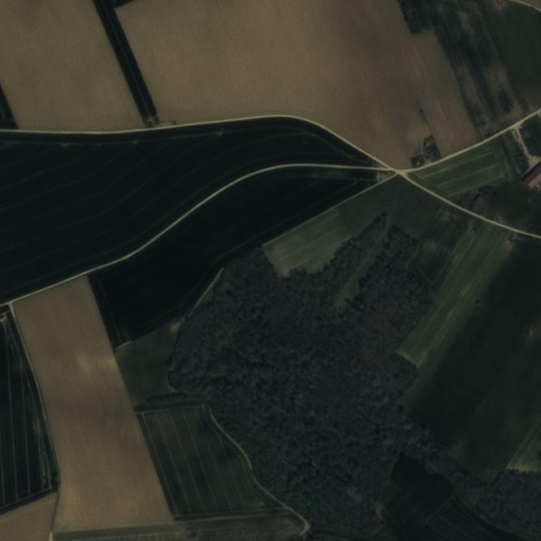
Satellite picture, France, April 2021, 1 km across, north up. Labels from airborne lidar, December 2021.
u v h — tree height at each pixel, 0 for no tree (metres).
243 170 0
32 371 0
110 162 0
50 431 0
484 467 0
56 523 0
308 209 0
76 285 0
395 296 17
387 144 0
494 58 0
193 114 0
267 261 13
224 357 24
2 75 0
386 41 0
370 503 23
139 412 0
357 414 24
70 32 0
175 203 0
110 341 0
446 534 0
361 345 24
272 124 0
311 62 0
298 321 31
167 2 0
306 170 0
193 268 0
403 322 19
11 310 0
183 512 0
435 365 0
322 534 0
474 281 0
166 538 0
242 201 0
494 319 0
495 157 0
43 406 0
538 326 0
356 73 0
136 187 0
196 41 0
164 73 0
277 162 0
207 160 0
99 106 0
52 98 0
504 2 0
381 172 0
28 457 0
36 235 0
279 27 0
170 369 16
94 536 0
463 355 0
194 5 0
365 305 20
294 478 21
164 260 0
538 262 0
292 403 9
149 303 0
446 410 0
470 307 0
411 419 9
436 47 0
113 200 0
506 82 0
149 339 0
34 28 0
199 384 25
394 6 0
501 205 0
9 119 0
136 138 0
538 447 0
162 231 0
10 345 0
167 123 0
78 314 0
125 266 0
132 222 0
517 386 0
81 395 0
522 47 0
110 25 0
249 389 23
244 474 0
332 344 26
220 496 0
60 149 0
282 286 20
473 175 0
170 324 0
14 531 0
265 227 0
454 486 0
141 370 0
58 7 0
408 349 0
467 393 0
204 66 0
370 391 14
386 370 20
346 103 0
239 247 0
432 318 0
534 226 0
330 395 22
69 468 0
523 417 0
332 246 0
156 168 0
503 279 0
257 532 0
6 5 0
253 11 0
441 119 0
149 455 0
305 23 0
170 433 0
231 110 0
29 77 0
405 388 22
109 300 0
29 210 0
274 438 28
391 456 25
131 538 0
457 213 0
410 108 0
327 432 17
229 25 0
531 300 0
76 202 0
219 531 0
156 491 0
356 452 22
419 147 0
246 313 32
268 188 0
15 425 0
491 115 0
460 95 0
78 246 0
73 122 0
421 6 0
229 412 21
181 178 0
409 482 0
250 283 22
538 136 0
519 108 0
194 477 0
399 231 19
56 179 0
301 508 17
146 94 0
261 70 0
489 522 22
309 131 0
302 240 0
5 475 0
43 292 0
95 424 0
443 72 0
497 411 0
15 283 0
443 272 0
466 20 0
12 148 0
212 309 19
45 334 0
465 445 0
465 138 0
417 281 11
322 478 25
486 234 0
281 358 31
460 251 0
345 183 0
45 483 0
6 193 0
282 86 0
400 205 0
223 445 0
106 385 0
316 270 0
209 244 0
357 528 20
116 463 0
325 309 26
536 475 11
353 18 0
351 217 0
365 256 23
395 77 0
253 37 0
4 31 0
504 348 0
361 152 0
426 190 0
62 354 0
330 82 0
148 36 0
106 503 0
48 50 0
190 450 0
